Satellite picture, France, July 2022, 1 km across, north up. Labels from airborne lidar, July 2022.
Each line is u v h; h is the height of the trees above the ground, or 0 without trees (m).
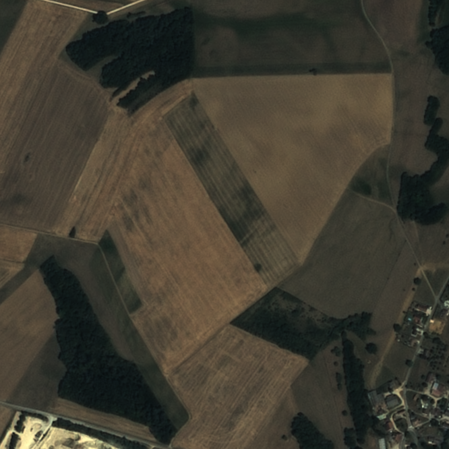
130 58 17
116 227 0
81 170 0
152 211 0
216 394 0
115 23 11
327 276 0
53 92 0
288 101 0
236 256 0
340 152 0
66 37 0
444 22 0
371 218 0
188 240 0
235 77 0
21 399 0
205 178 0
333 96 0
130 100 6
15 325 0
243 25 0
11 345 0
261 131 0
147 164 0
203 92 0
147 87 6
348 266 0
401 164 0
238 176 0
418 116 0
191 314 0
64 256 0
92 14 0
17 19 0
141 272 0
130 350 0
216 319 0
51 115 0
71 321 13
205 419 0
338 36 0
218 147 0
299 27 0
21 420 10
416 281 10
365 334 8
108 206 0
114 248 0
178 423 0
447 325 0
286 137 0
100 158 0
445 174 0
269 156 0
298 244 0
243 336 0
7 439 0
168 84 6
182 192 0
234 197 0
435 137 11
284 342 9
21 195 0
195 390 0
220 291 0
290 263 0
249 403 0
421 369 0
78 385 16
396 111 0
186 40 16
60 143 0
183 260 0
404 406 0
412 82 0
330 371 0
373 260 0
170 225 0
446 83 0
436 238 0
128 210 0
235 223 0
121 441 9
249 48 0
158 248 0
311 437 22
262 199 0
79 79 0
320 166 0
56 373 0
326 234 0
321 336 6
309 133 0
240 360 0
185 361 0
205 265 0
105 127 0
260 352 0
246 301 0
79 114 0
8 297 0
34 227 0
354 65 0
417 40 0
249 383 0
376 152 0
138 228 0
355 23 0
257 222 0
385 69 0
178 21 18
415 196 21
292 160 0
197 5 0
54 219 0
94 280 0
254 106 0
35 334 0
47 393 0
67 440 0
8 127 0
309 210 0
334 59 0
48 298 0
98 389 24
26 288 0
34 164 0
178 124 0
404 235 0
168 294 0
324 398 0
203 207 0
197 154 0
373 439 0
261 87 0
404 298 0
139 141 0
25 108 0
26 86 0
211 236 0
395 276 0
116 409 16
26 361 0
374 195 0
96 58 16
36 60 0
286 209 0
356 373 21
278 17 0
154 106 0
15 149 0
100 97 0
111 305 0
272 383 0
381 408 0
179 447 0
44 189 0
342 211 0
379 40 0
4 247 0
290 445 0
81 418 0
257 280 0
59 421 12
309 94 0
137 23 8
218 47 0
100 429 0
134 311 0
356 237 0
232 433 0
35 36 0
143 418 13
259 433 0
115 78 15
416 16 0
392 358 0
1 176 0
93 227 0
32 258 0
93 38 23
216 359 0
